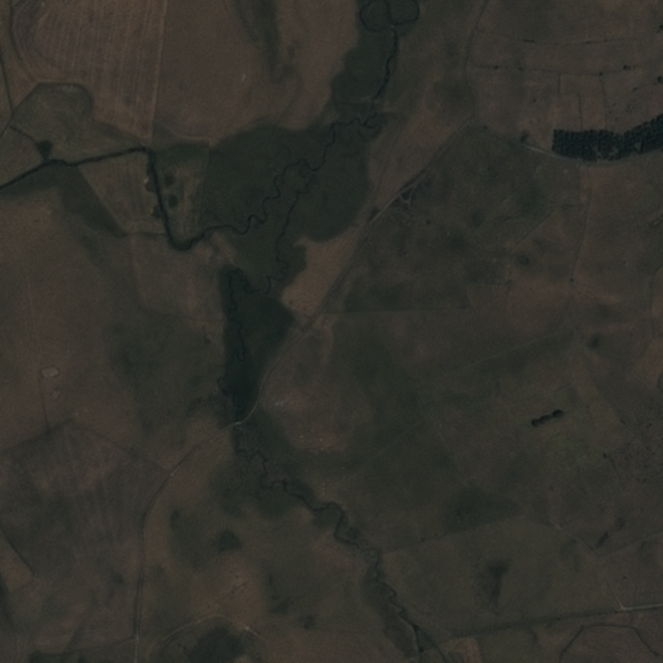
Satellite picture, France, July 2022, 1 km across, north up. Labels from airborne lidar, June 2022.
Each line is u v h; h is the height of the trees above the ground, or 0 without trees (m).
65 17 0
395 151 0
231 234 0
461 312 0
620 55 0
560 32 0
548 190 0
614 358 0
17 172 0
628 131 6
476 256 0
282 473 0
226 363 0
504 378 0
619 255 0
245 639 0
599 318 0
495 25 0
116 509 0
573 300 0
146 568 0
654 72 0
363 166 0
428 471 0
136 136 0
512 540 0
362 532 0
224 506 0
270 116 0
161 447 0
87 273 0
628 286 0
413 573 0
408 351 0
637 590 0
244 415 0
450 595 0
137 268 0
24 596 0
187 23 0
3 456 0
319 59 0
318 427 0
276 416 0
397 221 0
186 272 0
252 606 0
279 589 0
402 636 0
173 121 0
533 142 0
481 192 0
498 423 0
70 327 0
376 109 0
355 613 0
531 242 0
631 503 0
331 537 0
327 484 0
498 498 0
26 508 0
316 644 0
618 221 0
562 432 0
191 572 0
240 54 0
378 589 0
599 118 0
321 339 0
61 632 0
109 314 0
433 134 0
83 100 0
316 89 0
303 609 0
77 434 0
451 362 0
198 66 0
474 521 0
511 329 0
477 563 0
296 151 0
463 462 0
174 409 0
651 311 0
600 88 0
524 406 0
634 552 0
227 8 0
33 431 0
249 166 0
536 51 0
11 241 0
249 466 0
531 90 0
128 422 0
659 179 0
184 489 0
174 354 0
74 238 0
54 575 0
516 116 0
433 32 0
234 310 0
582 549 0
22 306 0
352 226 0
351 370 0
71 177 0
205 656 0
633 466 0
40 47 0
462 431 0
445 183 0
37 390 0
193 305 0
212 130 0
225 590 0
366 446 0
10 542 0
